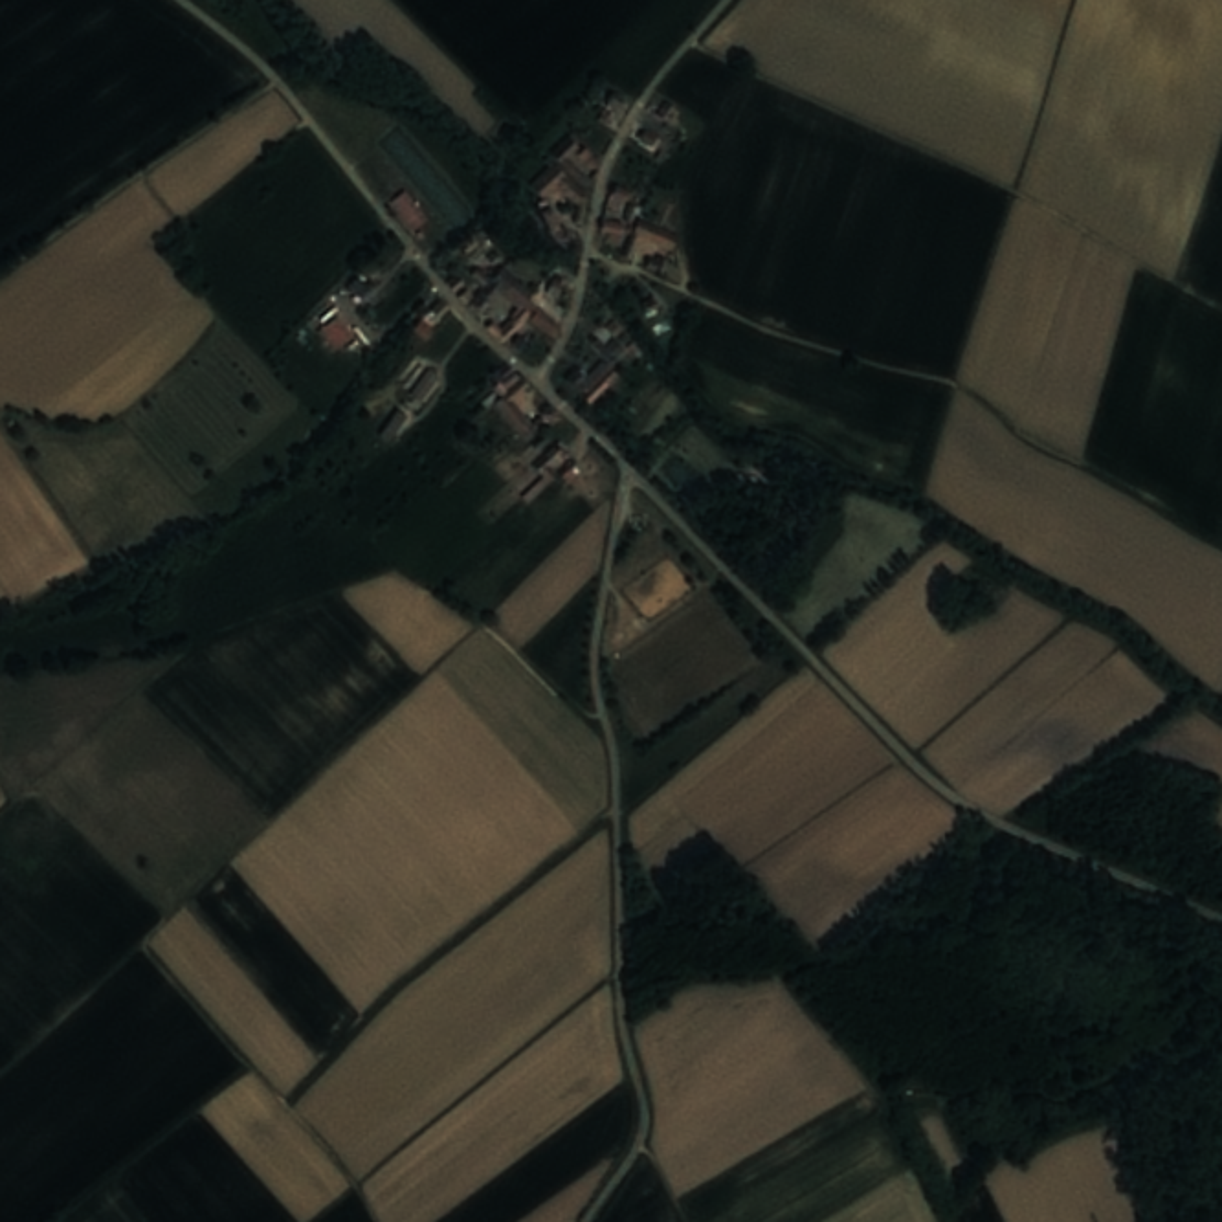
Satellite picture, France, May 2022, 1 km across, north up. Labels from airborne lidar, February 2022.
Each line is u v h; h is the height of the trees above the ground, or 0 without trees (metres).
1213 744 0
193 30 0
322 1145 0
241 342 0
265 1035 0
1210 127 0
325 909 0
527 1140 0
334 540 0
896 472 0
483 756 0
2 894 0
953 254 0
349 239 0
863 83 0
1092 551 0
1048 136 0
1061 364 0
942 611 23
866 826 0
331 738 0
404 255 0
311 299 0
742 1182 0
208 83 0
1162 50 0
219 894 0
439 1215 0
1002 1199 0
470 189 0
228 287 0
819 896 0
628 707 0
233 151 0
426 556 0
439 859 0
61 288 0
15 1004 0
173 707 0
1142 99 0
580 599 0
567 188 0
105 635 0
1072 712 0
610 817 0
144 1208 0
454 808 0
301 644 0
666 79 0
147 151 0
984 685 0
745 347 0
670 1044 0
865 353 0
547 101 0
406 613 0
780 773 0
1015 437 0
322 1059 0
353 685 0
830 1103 0
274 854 0
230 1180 0
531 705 0
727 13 0
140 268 0
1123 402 0
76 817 0
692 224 0
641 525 0
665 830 0
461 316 0
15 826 0
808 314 0
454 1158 0
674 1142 0
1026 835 0
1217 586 0
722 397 0
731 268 0
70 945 0
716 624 0
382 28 0
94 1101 0
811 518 26
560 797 0
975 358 0
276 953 0
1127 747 14
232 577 0
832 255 0
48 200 0
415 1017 0
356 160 0
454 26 0
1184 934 22
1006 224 0
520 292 0
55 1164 0
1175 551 0
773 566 23
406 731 0
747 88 0
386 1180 0
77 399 0
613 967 0
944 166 0
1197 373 0
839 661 0
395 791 0
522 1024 0
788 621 0
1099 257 0
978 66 0
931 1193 12
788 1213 0
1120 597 0
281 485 12
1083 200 0
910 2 0
